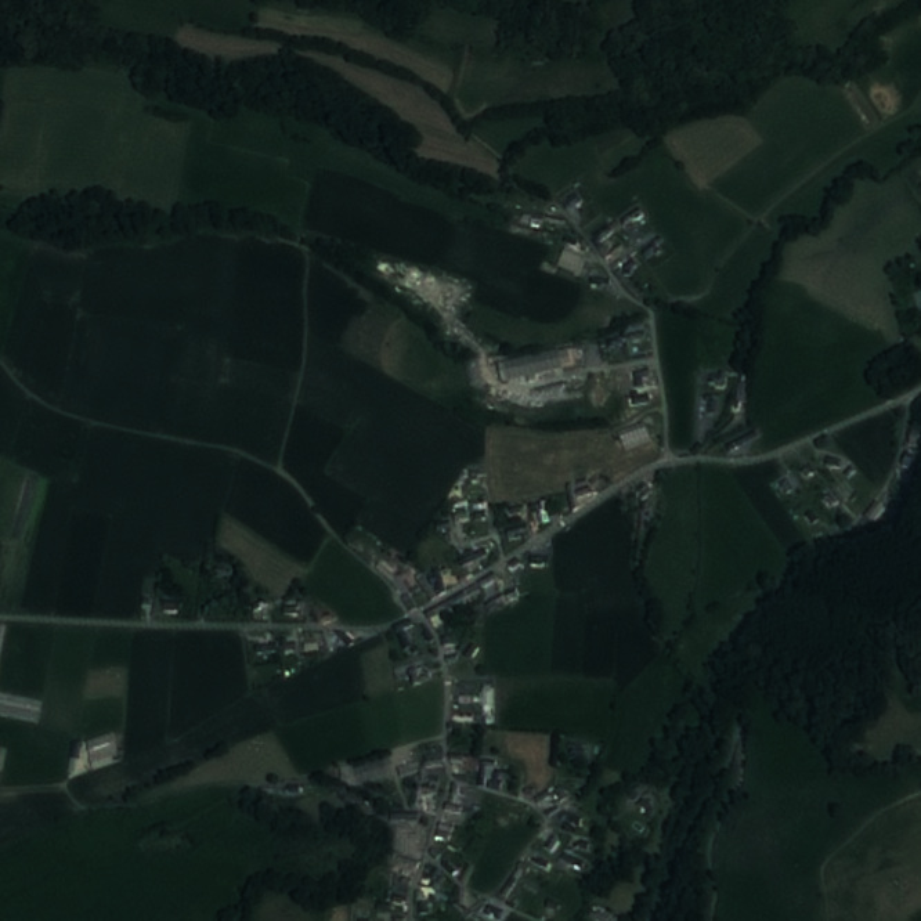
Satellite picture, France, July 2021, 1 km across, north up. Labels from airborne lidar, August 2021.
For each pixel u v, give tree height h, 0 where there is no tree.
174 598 12
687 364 0
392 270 0
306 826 9
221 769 0
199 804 0
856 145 0
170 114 8
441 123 0
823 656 24
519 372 0
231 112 25
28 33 26
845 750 23
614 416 0
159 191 0
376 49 0
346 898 21
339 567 0
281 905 0
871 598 27
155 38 15
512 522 8
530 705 0
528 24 26
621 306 0
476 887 0
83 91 0
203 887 0
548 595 0
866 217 0
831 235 0
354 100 16
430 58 0
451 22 0
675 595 0
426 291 0
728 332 0
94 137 0
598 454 0
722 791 10
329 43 15
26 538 0
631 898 0
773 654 31
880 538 30
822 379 0
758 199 0
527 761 0
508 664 0
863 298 0
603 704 0
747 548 0
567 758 10
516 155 20
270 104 25
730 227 0
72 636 0
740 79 26
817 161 0
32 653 0
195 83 23
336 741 0
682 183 0
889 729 0
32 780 0
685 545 0
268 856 0
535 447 0
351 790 13
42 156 0
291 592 11
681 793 20
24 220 14
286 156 0
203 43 0
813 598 19
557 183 0
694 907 19
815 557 25
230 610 12
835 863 0
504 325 0
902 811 0
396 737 0
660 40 27
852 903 0
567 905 0
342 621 0
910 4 9
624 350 0
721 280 0
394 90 0
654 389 0
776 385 0
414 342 0
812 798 0
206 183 0
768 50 20
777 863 0
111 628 0
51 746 0
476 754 18
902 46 0
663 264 0
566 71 0
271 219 10
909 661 24
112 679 0
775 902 0
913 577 30
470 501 0
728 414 7
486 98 0
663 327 0
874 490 0
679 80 21
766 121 0
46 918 0
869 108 0
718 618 0
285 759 0
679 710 20
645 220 0
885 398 6
